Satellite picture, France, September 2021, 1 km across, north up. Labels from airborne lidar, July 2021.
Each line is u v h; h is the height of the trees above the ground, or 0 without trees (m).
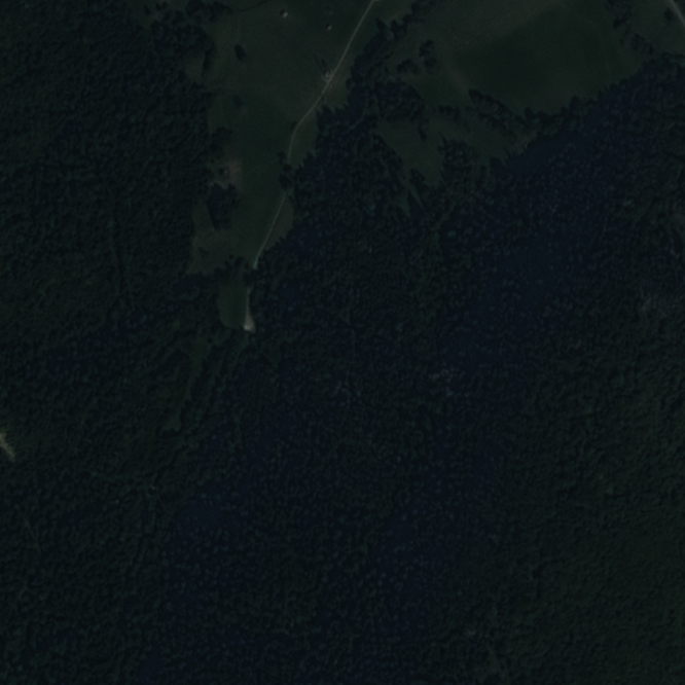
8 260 25
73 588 27
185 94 22
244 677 32
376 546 8
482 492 14
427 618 23
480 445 20
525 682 21
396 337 28
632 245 23
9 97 14
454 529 24
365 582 21
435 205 15
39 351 35
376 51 21
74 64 25
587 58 0
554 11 0
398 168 13
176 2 0
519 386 17
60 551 28
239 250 0
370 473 28
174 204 21
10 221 15
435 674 17
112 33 26
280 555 24
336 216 17
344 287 21
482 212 22
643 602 19
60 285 13
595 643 18
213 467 32
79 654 28
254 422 23
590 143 19
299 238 23
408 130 0
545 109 0
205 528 36
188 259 23
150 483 16
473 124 0
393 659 13
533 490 19
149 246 20
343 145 27
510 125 19
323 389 22
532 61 0
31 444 8
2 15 29
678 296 17
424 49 12
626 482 21
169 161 25
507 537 28
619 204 16
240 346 32
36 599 16
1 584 16
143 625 26
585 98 0
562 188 25
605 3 0
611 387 18
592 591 19
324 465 30
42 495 8
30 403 18
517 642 17
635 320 7
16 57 25
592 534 24
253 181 0
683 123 18
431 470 7
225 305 0
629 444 18
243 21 0
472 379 28
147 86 19
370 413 16
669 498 28
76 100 30
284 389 23
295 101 0
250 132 0
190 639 36
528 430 17
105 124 30
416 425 15
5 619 18
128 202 21
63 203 20
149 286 25
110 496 16
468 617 18
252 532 24
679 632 15
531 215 27
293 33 0
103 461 20
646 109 17
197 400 21
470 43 0
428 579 17
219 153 21
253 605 26
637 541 20
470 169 29
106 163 16
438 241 6
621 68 0
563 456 19
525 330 17
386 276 12
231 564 31
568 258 28
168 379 25
